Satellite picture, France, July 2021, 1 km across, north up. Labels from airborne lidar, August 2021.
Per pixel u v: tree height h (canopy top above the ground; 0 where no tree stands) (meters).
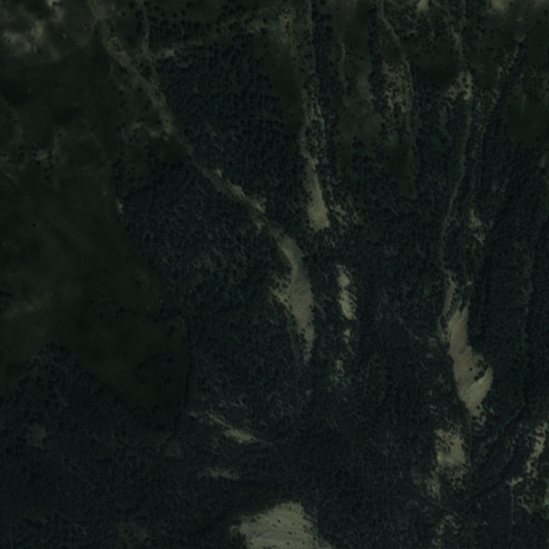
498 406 23
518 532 15
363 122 0
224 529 24
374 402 13
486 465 13
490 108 15
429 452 14
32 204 0
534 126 0
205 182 16
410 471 8
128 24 0
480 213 11
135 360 0
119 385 0
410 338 22
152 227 19
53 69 0
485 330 25
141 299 0
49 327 0
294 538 0
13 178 0
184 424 26
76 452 24
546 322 27
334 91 15
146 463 19
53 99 0
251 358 16
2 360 0
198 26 20
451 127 18
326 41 16
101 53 0
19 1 0
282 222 22
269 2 0
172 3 0
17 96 0
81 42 0
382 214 26
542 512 8
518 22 0
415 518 8
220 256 12
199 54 19
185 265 17
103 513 22
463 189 6
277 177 14
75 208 0
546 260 29
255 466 25
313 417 20
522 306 10
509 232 11
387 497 16
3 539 21
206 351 22
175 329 20
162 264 17
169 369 0
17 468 20
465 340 0
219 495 26
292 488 20
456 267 9
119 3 0
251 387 8
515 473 7
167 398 0
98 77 0
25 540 16
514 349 29
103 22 0
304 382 11
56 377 21
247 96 22
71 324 0
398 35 11
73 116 0
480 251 11
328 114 6
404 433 10
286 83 0
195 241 16
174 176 21
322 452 24
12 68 0
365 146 24
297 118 0
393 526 13
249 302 23
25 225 0
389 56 0
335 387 7
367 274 7
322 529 13
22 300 0
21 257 0
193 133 19
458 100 13
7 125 0
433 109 12
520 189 15
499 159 22
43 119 0
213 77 24
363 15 0
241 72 21
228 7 17
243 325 25
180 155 0
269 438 10
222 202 22
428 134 20
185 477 22
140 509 22
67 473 24
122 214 7
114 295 0
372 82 14
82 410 26
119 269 0
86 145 0
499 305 24
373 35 14
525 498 9
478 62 0
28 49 0
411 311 17
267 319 13
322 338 13
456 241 10
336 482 25
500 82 8
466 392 0
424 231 12
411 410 22
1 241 0
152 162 6
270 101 16
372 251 18
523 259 17
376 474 17
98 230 0
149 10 9
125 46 0
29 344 0
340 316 6
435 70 0
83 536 19
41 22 0
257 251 18
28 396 15
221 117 23
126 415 21
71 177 0
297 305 0
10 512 30
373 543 13
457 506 7
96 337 0
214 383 17
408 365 25
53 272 0
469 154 12
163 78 18
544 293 21
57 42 0
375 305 11
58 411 22
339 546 12
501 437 15
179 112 21
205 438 20
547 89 6
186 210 21
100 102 0
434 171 27
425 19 7
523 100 0
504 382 28
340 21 0
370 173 25
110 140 0
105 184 0
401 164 0
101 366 0
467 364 0
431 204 27
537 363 19
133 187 12
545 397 21
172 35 19
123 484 22
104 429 25
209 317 32
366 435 12
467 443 12
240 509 21
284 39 0
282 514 0
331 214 10
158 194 23
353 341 7
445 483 8
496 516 10
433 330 8
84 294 0
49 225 0
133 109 0
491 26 0
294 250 0
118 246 0
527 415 12
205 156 17
